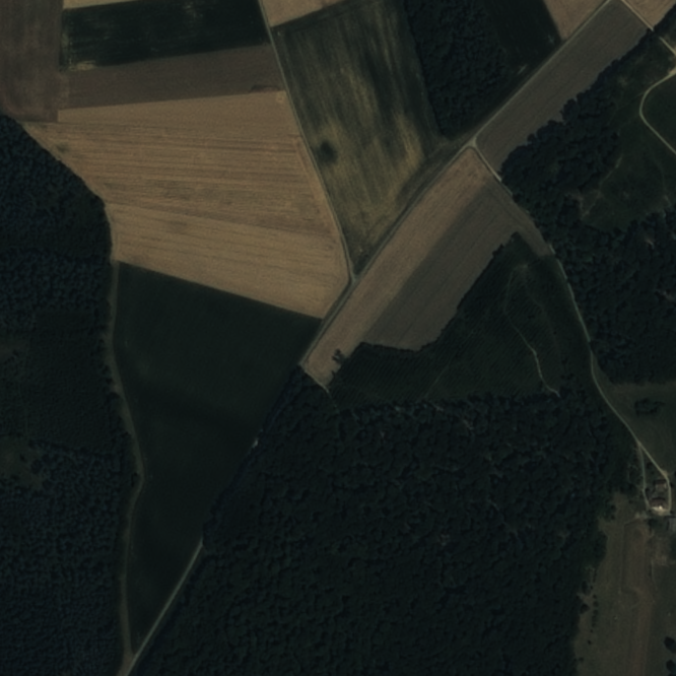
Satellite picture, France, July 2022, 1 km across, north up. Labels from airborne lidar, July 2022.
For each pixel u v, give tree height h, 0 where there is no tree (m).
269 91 0
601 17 0
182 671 11
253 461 18
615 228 0
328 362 0
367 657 24
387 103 0
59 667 19
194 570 0
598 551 21
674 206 0
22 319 23
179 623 22
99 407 8
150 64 0
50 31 0
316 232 0
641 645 0
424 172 0
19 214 28
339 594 28
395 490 29
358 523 30
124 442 14
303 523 26
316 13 0
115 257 0
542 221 26
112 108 0
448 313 0
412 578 24
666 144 0
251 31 0
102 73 0
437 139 0
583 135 21
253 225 0
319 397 25
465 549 25
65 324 6
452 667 32
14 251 6
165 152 0
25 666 23
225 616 12
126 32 0
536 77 0
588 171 27
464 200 0
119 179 0
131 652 0
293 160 0
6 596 23
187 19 0
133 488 23
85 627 21
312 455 27
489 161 0
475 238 0
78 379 9
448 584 24
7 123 24
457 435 27
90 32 0
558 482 28
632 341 24
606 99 23
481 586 27
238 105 0
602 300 29
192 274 0
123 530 20
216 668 24
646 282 28
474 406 25
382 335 0
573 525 21
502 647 27
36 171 33
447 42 31
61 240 12
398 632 26
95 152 0
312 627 24
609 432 29
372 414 28
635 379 19
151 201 0
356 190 0
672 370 24
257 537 15
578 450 29
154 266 0
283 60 0
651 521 7
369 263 0
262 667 23
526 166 24
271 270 0
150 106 0
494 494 26
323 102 0
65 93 0
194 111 0
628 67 17
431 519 27
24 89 0
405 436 28
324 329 0
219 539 20
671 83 0
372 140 0
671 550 0
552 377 0
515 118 0
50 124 0
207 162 0
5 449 0
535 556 23
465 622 29
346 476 26
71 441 7
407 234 0
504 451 27
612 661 0
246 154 0
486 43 27
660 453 0
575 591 25
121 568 18
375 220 0
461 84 25
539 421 25
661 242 27
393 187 0
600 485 26
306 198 0
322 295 0
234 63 0
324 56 0
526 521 29
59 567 10
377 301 0
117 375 0
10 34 0
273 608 24
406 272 0
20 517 23
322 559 26
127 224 0
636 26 0
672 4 0
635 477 6
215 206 0
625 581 0
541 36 0
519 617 30
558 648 26
